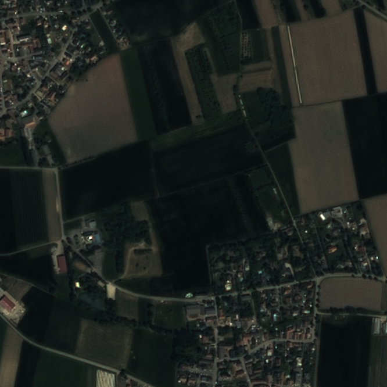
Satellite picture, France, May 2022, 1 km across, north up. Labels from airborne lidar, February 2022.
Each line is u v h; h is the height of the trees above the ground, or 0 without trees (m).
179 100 0
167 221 0
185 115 0
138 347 0
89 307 15
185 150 0
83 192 0
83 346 0
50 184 0
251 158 0
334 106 0
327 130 0
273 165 0
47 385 0
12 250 0
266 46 0
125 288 0
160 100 7
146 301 0
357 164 0
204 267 0
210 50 0
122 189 0
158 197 0
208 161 0
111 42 0
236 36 0
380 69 0
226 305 0
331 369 0
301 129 0
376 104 0
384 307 0
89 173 0
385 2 0
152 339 0
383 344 0
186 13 0
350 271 9
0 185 0
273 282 17
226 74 0
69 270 15
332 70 0
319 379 0
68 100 0
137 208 0
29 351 0
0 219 0
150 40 0
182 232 0
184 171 0
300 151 0
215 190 0
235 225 0
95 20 0
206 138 0
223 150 0
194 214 0
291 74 0
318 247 8
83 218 0
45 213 0
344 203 0
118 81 0
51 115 0
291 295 0
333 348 0
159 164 0
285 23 0
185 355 6
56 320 0
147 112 0
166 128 0
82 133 0
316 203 0
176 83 0
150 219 0
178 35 0
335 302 0
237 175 0
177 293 0
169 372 0
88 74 0
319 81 0
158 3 0
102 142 0
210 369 0
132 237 13
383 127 0
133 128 0
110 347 0
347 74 0
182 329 0
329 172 0
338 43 0
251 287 12
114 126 0
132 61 0
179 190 0
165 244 0
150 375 0
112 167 0
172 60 0
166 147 0
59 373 0
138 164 0
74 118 0
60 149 0
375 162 0
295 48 0
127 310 0
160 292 0
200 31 0
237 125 0
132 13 0
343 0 0
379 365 0
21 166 0
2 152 0
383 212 0
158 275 0
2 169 0
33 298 0
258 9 0
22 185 0
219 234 0
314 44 0
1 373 0
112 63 0
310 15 0
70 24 8
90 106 0
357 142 0
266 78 0
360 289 0
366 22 0
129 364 0
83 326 0
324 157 0
